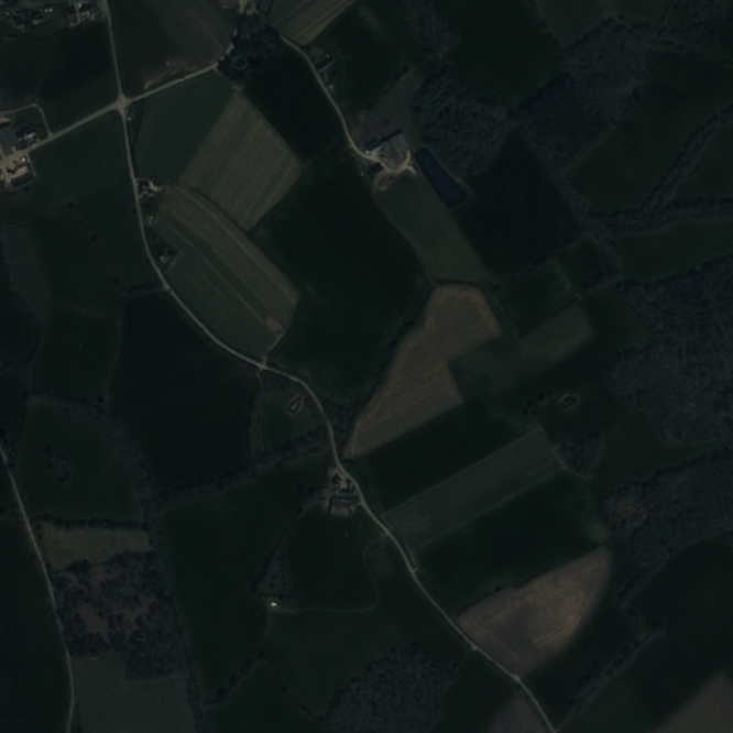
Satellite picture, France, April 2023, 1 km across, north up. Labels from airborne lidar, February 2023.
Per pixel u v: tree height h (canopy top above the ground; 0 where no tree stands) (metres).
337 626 0
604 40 12
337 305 0
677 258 0
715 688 0
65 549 0
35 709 0
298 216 0
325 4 0
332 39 0
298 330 0
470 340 0
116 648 16
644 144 0
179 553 0
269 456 10
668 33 7
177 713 0
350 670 0
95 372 0
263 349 0
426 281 0
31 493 0
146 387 0
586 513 0
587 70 12
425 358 0
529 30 0
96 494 0
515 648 0
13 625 0
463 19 0
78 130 0
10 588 0
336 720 12
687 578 0
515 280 8
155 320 0
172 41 0
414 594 0
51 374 0
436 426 0
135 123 0
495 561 0
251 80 0
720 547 0
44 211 0
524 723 0
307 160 0
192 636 0
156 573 18
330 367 0
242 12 0
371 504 0
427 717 10
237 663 0
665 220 13
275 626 0
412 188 0
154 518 14
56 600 7
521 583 0
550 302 0
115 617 6
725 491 15
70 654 8
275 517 0
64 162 0
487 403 0
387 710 9
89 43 0
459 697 0
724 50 0
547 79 0
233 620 0
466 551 0
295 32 0
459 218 0
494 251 0
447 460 0
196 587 0
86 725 0
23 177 0
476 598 0
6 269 9
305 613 0
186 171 0
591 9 0
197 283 0
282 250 0
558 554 0
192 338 0
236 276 0
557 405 0
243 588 0
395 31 0
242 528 0
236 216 0
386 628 0
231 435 0
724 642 0
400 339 8
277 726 0
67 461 7
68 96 0
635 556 8
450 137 13
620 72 11
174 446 0
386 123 9
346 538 0
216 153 0
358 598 0
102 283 0
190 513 0
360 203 0
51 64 0
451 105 7
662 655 0
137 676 13
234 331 0
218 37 0
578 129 16
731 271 16
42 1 0
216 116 0
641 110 0
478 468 0
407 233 0
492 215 0
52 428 0
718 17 6
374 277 0
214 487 14
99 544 0
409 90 0
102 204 0
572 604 0
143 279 0
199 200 0
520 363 0
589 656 0
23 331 0
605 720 0
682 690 0
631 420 0
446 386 0
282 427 0
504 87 0
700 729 0
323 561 0
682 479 7
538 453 0
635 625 8
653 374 11
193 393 0
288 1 0
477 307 0
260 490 0
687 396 11
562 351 0
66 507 0
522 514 0
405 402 0
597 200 0
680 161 7
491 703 0
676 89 0
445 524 0
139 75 0
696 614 0
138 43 0
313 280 0
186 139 0
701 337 17
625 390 14
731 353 20
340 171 0
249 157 0
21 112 0
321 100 0
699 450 0
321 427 7
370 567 0
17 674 0
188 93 0
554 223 0
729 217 12
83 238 0
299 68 0
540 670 0
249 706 0
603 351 0
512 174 0
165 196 0
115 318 0
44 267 0
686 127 0
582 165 0
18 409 0
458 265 0
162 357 0
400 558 0
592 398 0
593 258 0
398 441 0
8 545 0
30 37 0
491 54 0
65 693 0
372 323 0
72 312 0
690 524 10
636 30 13
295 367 0
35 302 0
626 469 0
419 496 0
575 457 14
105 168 0
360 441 0
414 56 0
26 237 0
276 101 0
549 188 0
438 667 9
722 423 14
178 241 0
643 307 17
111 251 0
